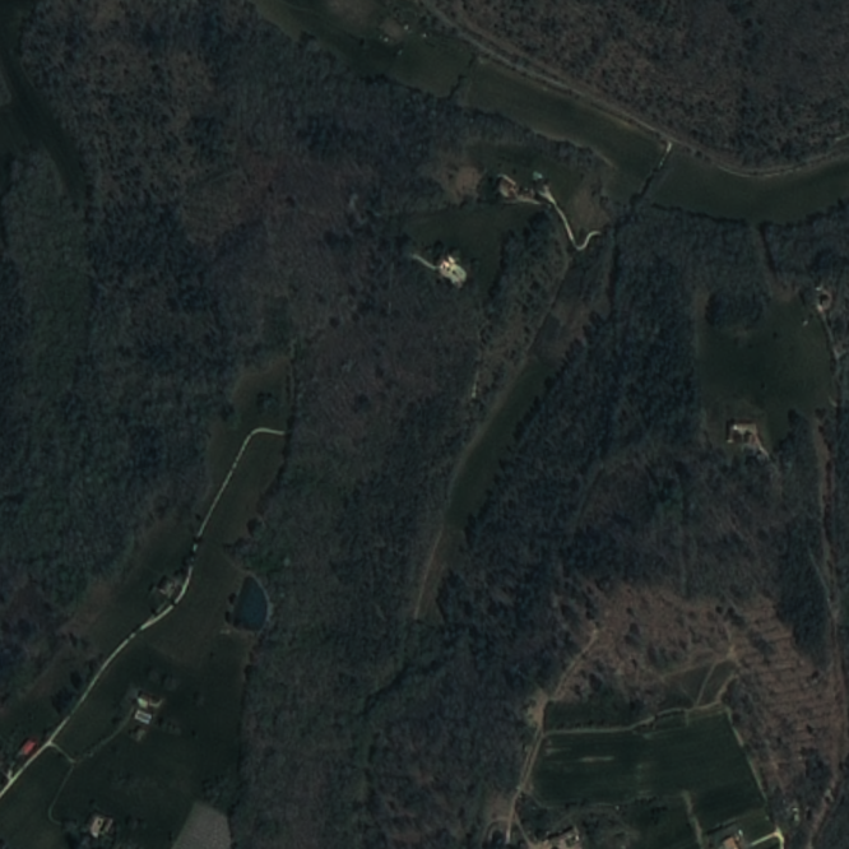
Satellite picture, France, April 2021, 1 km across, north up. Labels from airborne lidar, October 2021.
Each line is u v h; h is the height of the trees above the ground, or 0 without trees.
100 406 16
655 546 16
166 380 19
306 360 10
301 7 0
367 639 21
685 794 0
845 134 15
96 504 25
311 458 23
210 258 11
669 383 22
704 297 13
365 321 16
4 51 0
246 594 0
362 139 18
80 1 10
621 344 11
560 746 0
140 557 0
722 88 10
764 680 20
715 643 18
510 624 16
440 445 8
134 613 0
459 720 0
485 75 0
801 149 6
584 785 0
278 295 20
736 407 0
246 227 7
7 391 26
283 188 9
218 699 0
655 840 0
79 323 12
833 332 7
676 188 0
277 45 19
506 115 0
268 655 23
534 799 0
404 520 11
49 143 0
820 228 19
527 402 0
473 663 13
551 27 8
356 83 19
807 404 0
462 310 18
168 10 18
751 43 16
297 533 19
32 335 20
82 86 8
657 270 15
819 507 18
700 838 0
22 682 17
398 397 12
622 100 12
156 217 18
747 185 0
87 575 23
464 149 13
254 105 19
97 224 16
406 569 21
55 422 20
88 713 0
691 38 11
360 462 20
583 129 0
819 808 17
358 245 10
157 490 22
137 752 0
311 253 17
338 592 17
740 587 14
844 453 16
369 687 22
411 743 11
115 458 23
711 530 15
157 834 0
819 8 17
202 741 0
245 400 0
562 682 18
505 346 8
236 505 0
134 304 9
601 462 8
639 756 0
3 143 0
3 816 0
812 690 18
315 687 20
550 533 16
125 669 0
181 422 10
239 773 11
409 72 0
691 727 0
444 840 21
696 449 19
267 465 0
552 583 22
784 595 11
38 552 20
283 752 16
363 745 20
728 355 0
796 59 14
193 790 0
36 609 7
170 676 7
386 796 19
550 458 12
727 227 18
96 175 14
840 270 19
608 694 25
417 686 29
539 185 10
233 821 18
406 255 22
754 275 20
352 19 0
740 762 0
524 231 0
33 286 19
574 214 0
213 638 0
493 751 21
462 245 0
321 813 16
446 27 6
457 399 14
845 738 0
